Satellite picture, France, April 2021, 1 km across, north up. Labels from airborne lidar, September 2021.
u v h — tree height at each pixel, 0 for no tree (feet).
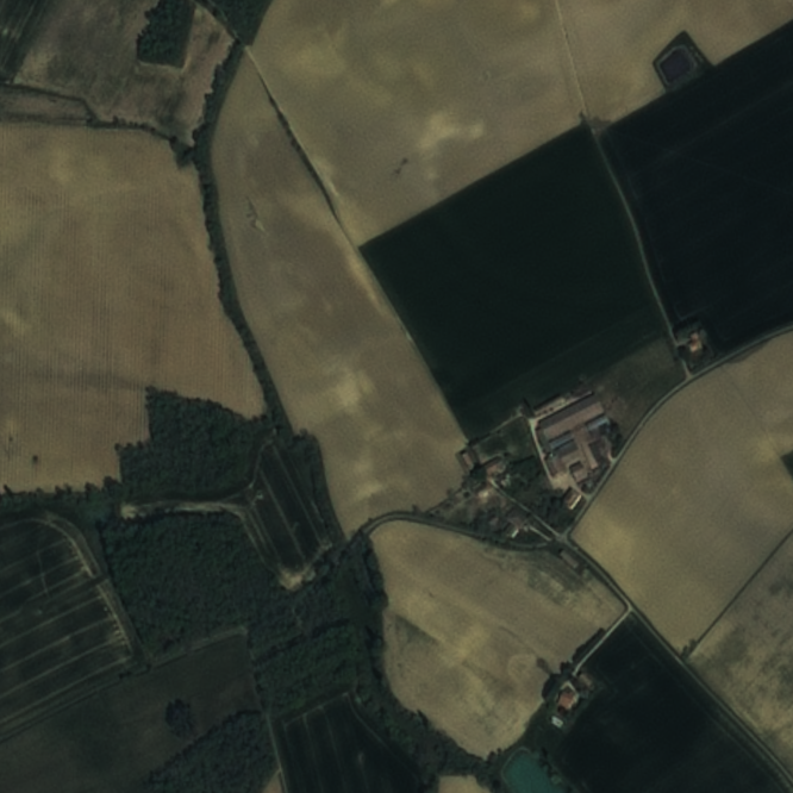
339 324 0
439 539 0
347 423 0
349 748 0
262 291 0
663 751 0
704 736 0
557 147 0
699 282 0
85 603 0
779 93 0
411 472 0
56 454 0
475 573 0
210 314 0
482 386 0
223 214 0
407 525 0
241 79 0
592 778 0
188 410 60
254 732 30
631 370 0
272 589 57
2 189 0
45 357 0
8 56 0
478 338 0
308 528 0
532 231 0
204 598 52
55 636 0
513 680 0
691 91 0
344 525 0
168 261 0
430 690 0
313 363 0
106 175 0
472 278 0
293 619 81
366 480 0
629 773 0
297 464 0
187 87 0
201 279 0
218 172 0
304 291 0
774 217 0
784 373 0
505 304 0
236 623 58
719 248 0
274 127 0
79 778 0
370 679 47
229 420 86
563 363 0
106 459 0
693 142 0
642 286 0
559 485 0
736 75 0
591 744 0
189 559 54
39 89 0
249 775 53
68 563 0
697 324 43
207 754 59
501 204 0
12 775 0
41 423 0
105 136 0
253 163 0
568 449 0
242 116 0
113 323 0
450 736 39
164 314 0
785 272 0
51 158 0
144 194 0
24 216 0
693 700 0
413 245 0
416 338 0
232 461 52
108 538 67
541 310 0
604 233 0
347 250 0
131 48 0
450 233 0
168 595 60
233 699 0
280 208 0
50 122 0
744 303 0
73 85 0
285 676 55
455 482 0
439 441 0
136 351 0
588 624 0
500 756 30
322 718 0
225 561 46
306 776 0
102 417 0
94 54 0
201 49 0
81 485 0
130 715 0
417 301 0
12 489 0
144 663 0
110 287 0
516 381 0
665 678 0
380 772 0
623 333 0
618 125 0
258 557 40
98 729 0
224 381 0
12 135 0
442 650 0
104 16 0
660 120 0
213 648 0
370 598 45
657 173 0
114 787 0
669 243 0
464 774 42
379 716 27
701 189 0
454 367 0
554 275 0
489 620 0
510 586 0
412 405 0
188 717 75
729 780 0
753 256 0
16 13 0
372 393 0
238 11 74
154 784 41
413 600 0
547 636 0
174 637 27
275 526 0
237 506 0
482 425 0
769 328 0
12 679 0
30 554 0
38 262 0
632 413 0
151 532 85
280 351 0
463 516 0
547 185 0
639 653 0
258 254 0
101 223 0
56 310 0
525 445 0
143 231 0
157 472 69
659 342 0
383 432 0
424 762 87
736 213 0
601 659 0
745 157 0
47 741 0
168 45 69
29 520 0
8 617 0
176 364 0
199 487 56
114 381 0
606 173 0
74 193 0
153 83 0
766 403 0
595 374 0
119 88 0
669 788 0
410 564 0
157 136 38
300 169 0
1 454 0
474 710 0
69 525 0
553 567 0
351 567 67
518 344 0
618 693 0
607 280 0
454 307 0
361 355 0
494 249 0
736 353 0
